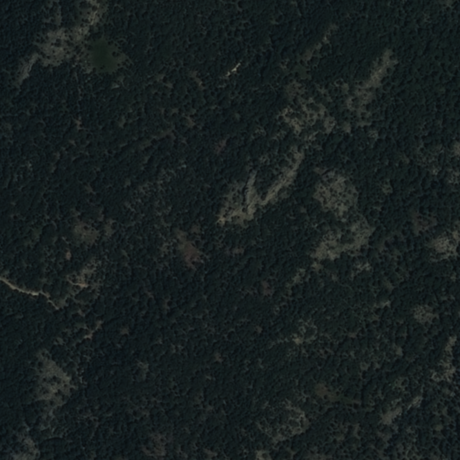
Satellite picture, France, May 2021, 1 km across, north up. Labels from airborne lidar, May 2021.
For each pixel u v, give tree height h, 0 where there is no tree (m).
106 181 23
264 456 7
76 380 16
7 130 6
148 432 18
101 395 16
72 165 21
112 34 13
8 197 17
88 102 17
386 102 22
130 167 24
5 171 17
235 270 21
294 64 7
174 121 23
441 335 18
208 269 13
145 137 25
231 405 17
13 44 12
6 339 24
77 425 16
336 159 18
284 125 21
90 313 10
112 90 8
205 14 19
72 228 16
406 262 19
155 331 22
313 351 12
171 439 16
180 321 14
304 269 6
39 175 18
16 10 20
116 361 19
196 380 16
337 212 8
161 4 11
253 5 26
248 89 17
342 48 16
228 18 18
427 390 22
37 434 23
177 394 12
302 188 19
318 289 10
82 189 25
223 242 12
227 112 26
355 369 11
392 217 28
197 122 21
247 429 16
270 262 23
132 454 19
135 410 20
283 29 23
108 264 7
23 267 13
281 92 15
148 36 13
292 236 17
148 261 16
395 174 28
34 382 10
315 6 20
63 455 20
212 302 15
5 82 19
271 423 10
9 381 22
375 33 14
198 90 24
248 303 15
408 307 19
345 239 12
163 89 24
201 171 21
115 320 17
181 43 12
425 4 13
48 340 17
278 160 12
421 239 15
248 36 27
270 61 21
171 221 11
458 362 24
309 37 17
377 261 12
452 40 18
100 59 0
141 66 10
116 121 14
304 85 7
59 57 0
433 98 18
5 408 22
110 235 14
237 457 17
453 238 6
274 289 10
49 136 14
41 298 17
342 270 20
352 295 6
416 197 25
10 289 16
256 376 13
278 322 13
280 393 14
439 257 10
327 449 19
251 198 0
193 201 10
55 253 8
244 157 16
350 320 20
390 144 30
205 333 11
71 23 12
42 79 17
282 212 10
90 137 21
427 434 24
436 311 18
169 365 15
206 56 24
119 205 18
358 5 19
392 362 12
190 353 15
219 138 22
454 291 25
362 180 11
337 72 14
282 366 7
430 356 22
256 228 16
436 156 7
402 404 17
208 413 17
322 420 22
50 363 0
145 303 13
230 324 16
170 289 23
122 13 16
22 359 23
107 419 10
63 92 15
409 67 18
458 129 23
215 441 15
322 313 10
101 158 16
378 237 26
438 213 22
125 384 17
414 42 24
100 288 8
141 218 10
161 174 14
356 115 11
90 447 19
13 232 16
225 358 10
